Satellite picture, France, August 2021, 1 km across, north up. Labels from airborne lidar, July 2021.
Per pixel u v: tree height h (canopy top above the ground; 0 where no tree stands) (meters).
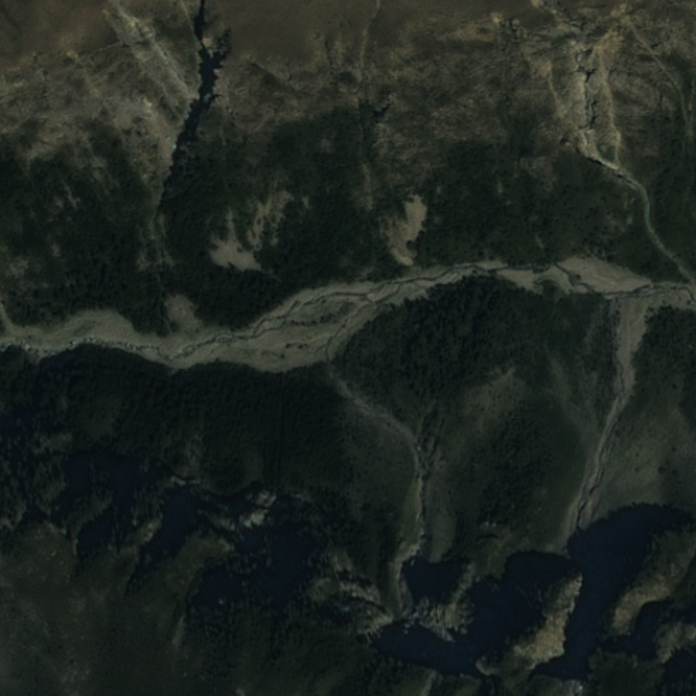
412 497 0
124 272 10
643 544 12
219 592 11
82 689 0
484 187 7
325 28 0
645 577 10
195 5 0
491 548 0
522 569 0
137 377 8
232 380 7
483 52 0
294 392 8
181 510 6
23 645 0
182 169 7
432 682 0
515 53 0
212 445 6
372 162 7
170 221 8
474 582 0
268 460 6
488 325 18
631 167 0
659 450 0
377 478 0
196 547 0
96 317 0
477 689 0
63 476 15
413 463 0
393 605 0
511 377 0
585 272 0
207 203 8
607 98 0
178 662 0
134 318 7
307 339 0
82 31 0
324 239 6
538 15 0
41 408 8
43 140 0
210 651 0
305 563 7
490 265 0
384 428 0
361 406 0
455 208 7
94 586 0
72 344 0
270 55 0
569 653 0
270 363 0
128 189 9
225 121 0
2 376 22
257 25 0
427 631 0
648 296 0
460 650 0
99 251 9
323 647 7
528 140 0
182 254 9
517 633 7
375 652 37
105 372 11
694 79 0
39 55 0
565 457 0
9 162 5
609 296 0
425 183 7
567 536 0
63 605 0
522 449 8
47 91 0
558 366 0
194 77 0
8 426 6
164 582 0
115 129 0
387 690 8
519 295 7
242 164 7
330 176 8
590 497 0
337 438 7
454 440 0
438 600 11
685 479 0
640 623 0
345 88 0
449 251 8
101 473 14
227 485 10
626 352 0
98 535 9
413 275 0
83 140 0
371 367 6
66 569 0
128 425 6
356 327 0
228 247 0
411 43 0
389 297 0
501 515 6
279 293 10
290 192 7
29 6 0
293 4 0
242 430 6
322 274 8
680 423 0
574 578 7
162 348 0
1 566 0
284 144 6
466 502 0
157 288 9
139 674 0
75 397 6
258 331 0
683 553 0
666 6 0
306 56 0
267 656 0
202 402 6
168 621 0
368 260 8
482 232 12
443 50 0
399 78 0
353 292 0
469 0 0
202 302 11
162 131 0
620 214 8
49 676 0
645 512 0
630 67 0
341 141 7
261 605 8
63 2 0
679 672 0
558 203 7
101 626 0
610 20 0
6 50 0
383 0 0
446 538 0
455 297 16
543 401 0
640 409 0
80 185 10
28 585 0
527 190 7
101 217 10
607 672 0
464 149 7
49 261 8
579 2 0
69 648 0
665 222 6
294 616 17
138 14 0
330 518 6
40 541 0
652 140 0
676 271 6
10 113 0
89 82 0
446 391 6
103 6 0
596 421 0
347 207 7
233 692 0
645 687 0
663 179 6
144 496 13
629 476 0
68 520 6
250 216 6
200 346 0
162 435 7
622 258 0
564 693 0
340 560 7
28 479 9
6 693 0
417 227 0
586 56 0
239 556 7
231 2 0
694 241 0
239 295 13
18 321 7
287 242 9
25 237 7
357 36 0
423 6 0
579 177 0
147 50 0
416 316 16
